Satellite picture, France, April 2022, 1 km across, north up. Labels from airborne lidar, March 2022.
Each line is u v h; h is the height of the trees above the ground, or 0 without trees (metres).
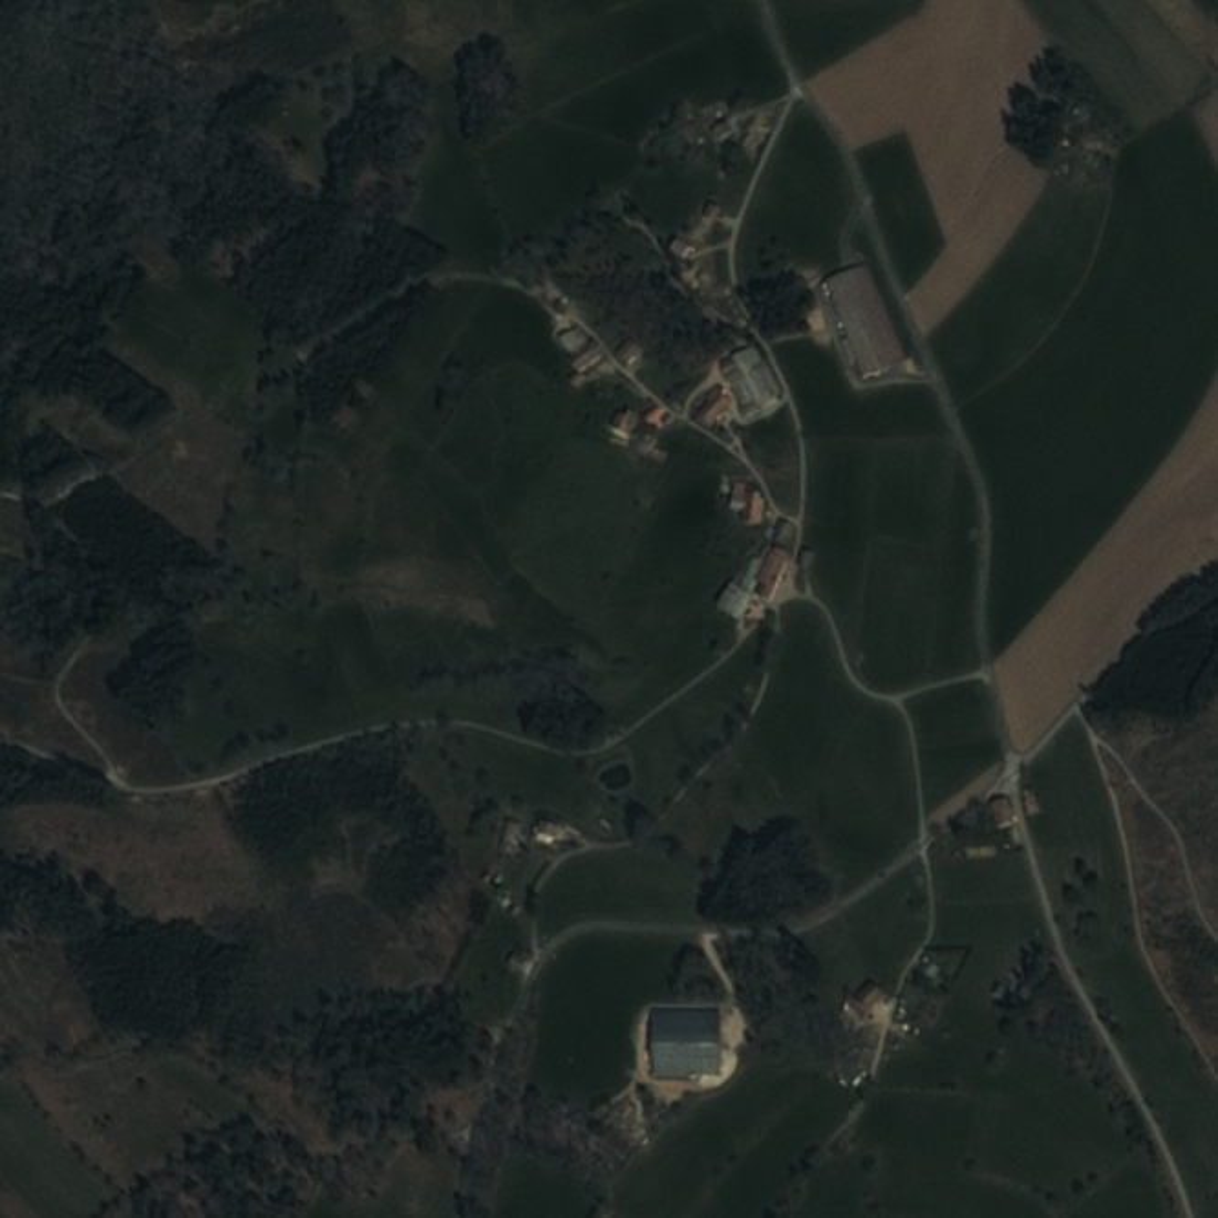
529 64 0
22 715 0
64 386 13
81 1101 0
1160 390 0
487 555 0
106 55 17
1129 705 12
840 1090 0
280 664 0
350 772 10
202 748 0
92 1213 0
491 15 0
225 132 24
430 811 9
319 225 21
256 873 0
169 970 14
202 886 0
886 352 0
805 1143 0
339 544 0
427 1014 14
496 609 0
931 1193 0
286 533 0
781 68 0
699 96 0
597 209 14
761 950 17
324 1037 10
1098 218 0
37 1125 0
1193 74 0
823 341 0
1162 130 0
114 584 18
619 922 0
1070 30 0
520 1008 0
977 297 0
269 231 26
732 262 0
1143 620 0
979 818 11
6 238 25
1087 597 0
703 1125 0
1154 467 0
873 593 0
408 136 26
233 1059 13
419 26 0
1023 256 0
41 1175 0
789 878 25
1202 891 0
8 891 17
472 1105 0
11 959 0
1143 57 0
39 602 20
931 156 0
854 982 0
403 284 20
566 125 0
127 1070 0
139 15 17
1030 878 0
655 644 0
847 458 0
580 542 0
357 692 0
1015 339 0
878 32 0
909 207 0
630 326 9
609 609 0
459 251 0
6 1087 0
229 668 0
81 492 8
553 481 0
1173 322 0
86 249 19
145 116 19
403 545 0
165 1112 0
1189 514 0
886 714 0
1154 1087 0
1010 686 0
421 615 0
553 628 0
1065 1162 0
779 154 0
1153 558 0
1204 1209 0
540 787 0
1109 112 10
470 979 0
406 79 23
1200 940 7
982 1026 0
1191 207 0
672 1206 0
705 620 0
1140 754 0
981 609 0
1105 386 0
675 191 0
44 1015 0
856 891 0
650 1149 0
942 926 0
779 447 0
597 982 0
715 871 18
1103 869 0
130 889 0
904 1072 0
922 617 0
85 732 0
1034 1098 0
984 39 0
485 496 0
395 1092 12
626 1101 0
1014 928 0
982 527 0
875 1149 0
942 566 0
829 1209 0
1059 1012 10
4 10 23
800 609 0
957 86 0
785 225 0
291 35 7
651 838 25
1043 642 0
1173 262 0
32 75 23
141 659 0
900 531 0
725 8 0
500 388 0
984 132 0
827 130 0
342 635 0
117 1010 15
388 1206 0
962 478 0
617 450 0
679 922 0
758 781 0
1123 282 0
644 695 0
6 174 20
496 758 0
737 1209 0
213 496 0
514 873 0
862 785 0
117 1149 0
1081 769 0
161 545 10
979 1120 0
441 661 0
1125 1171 0
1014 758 0
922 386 0
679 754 0
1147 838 0
